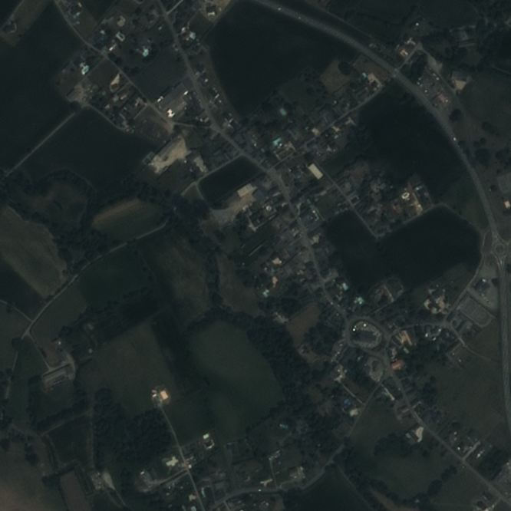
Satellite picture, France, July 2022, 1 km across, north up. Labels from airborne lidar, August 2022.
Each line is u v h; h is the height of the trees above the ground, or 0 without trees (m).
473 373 0
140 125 0
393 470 0
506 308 0
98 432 11
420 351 11
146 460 18
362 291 18
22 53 0
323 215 0
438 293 0
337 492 0
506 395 0
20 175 12
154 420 13
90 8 0
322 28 0
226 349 0
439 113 0
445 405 0
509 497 0
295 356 10
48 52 0
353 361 8
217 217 0
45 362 0
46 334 0
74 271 8
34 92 0
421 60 7
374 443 0
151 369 0
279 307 7
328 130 6
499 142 0
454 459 0
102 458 14
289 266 0
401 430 0
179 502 0
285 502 12
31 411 9
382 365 0
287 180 0
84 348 0
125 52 0
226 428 0
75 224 0
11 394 0
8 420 16
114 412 23
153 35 0
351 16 13
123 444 17
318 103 6
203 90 0
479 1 21
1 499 0
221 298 15
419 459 0
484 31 16
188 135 0
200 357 0
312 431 6
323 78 0
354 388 0
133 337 0
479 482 0
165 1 12
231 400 0
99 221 0
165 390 0
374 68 0
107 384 0
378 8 0
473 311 0
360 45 0
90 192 27
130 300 14
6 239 0
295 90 0
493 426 0
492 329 0
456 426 10
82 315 11
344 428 0
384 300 12
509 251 0
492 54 23
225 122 0
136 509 0
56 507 0
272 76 0
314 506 0
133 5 0
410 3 0
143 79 0
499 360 0
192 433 0
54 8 0
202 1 0
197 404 0
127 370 0
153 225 0
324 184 0
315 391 0
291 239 0
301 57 0
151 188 16
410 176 7
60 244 19
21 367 0
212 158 0
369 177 8
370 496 6
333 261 12
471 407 0
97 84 0
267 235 0
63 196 0
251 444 12
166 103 0
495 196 0
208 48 0
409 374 13
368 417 0
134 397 0
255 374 0
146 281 0
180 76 0
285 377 18
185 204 32
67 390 0
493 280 8
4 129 0
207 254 9
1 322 0
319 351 11
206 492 12
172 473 0
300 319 0
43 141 0
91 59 6
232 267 0
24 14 0
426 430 0
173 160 0
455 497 0
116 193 27
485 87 0
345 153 0
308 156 14
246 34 0
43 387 0
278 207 14
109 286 0
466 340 0
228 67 0
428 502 20
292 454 0
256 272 0
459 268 0
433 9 0
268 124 11
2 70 0
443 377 0
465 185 0
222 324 0
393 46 6
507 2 16
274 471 0
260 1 0
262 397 0
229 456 0
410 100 16
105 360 0
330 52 0
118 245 8
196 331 13
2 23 0
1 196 33
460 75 0
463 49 20
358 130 15
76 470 6
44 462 0
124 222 0
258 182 0
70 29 0
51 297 9
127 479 19
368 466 0
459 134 0
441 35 18
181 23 15
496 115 0
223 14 0
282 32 0
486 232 0
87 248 10
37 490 0
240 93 0
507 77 14
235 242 0
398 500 25
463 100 0
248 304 0
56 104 0
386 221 12
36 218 13
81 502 0
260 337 21
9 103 0
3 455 0
